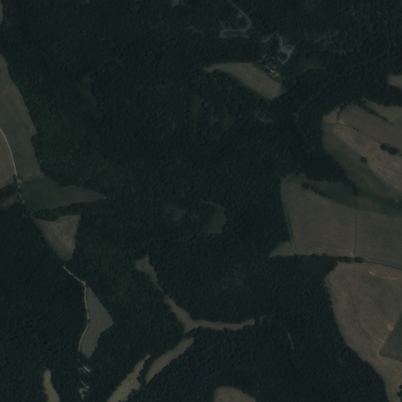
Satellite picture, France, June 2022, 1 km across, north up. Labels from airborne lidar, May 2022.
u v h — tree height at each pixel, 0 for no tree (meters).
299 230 0
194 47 14
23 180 0
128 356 6
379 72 20
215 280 8
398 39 23
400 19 7
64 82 15
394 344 0
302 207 0
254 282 16
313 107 18
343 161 0
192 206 21
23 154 0
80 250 13
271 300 19
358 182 0
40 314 14
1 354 25
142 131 27
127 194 15
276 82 0
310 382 21
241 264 11
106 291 15
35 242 16
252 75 0
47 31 20
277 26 17
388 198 0
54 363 29
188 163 16
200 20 7
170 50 23
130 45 18
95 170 16
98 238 17
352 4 26
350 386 23
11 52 13
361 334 0
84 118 22
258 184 20
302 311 23
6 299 18
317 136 21
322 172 19
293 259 12
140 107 16
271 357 10
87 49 19
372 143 0
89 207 16
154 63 21
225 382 13
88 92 0
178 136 20
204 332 14
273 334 24
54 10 18
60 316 23
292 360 25
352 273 0
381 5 18
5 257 18
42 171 13
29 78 21
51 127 16
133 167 15
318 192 8
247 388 17
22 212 9
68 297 10
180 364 14
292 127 19
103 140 25
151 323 9
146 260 0
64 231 0
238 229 18
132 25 18
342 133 0
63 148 21
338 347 12
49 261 17
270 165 24
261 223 17
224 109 15
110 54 20
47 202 0
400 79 0
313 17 20
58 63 18
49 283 19
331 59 24
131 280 13
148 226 17
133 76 17
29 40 22
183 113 12
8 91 0
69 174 14
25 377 14
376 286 0
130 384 0
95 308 0
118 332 15
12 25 13
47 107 17
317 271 20
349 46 18
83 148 20
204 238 27
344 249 0
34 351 28
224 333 22
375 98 18
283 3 17
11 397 21
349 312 0
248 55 14
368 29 28
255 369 22
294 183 0
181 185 22
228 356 8
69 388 18
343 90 22
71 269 15
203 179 19
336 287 0
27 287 19
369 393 15
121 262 15
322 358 18
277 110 23
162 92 10
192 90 26
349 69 17
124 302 11
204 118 9
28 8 28
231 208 10
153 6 19
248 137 21
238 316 9
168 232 20
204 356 11
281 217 7
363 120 0
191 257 17
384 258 0
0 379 22
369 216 0
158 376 12
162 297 16
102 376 9
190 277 13
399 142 0
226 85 14
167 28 13
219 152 16
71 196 0
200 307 12
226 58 23
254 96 19
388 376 0
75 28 8
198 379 17
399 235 0
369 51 27
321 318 17
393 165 0
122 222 13
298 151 26
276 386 13
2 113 0
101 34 25
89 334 0
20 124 0
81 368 14
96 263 10
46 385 0
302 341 24
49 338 12
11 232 14
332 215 0
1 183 0
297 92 24
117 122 25
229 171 18
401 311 0
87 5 16
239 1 18
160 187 17
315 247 0
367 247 0
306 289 15
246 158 23
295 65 17
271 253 9
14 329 23
